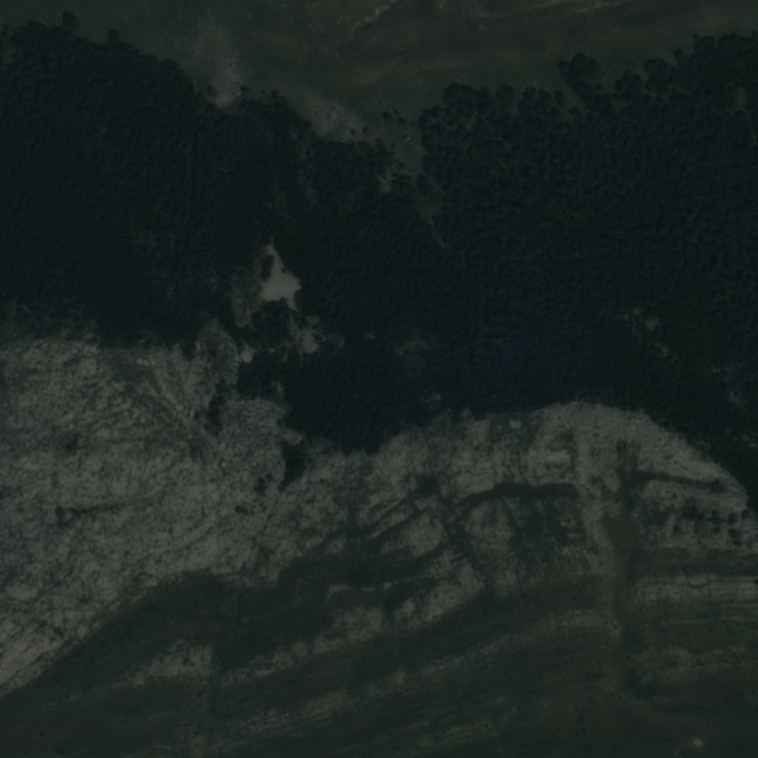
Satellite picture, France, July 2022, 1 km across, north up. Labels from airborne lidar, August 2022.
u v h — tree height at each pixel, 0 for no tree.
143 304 15
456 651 0
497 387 13
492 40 0
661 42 0
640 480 0
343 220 11
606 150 16
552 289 15
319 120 0
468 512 0
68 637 0
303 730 0
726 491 0
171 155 15
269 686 0
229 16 0
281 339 7
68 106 14
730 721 0
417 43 0
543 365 12
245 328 8
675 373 15
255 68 0
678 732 0
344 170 17
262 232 11
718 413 12
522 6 0
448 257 10
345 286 8
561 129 25
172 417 0
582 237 7
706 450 6
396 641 0
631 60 0
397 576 0
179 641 0
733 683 0
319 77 0
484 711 0
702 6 0
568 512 0
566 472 0
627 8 0
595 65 16
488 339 12
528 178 19
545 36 0
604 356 14
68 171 17
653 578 0
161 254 12
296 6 0
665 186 23
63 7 0
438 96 0
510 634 0
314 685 0
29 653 0
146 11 0
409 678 0
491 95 23
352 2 0
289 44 0
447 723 0
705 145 15
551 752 0
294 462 11
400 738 0
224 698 0
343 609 0
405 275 8
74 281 12
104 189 17
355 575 0
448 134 15
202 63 0
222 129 16
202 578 0
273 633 0
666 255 17
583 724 0
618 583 0
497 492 0
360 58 0
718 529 6
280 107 12
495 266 17
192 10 0
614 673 0
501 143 10
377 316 12
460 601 0
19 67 12
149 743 0
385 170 11
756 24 0
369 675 0
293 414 9
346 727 0
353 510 0
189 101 13
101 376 0
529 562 0
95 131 15
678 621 0
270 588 0
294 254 11
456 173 25
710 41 10
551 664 0
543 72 0
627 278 15
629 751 0
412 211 12
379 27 0
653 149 19
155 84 18
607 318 6
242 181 15
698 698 0
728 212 22
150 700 0
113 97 20
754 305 20
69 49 18
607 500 0
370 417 11
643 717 0
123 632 0
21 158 20
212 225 15
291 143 9
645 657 0
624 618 0
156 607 0
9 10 0
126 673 0
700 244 7
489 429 0
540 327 13
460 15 0
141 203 17
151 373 0
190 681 0
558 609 0
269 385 13
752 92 13
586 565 0
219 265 14
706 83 15
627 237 12
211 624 0
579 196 14
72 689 0
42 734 0
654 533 0
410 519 0
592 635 0
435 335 10
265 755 0
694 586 0
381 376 14
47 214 16
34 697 0
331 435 9
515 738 0
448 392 13
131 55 18
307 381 17
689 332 13
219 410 8
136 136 14
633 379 17
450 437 0
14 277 10
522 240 17
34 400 0
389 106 0
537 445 0
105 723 0
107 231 16
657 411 10
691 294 12
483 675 0
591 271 16
